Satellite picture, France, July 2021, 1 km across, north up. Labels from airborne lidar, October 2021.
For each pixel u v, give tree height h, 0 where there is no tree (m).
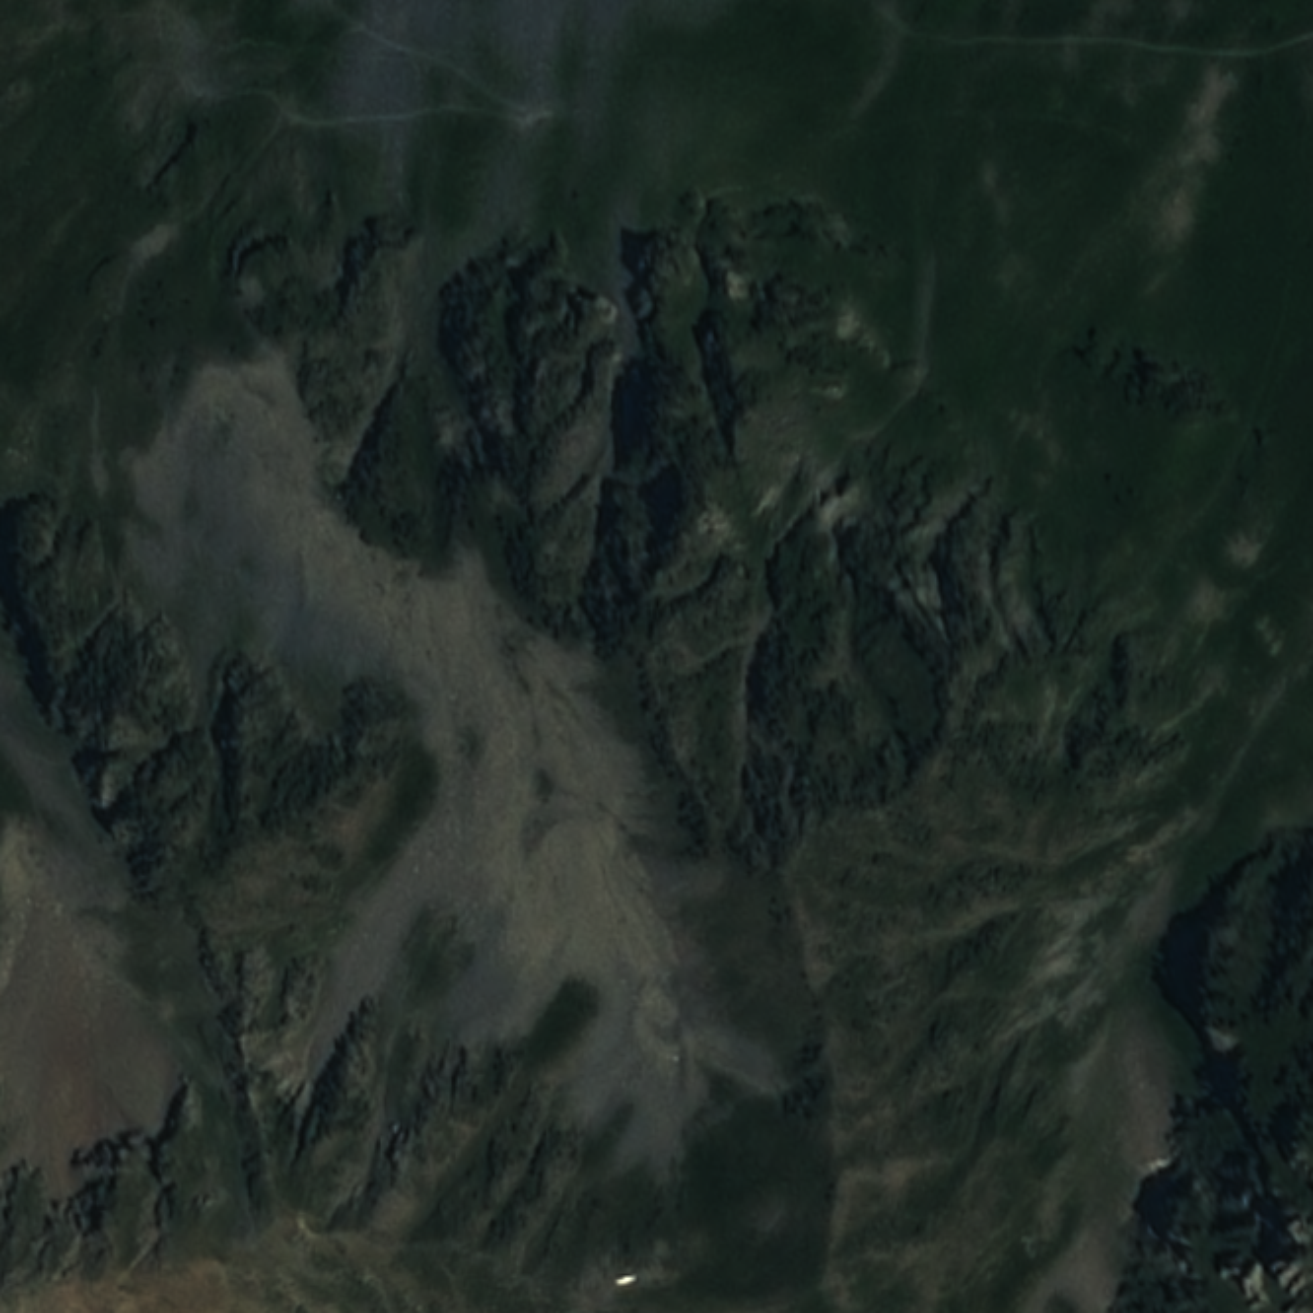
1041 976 0
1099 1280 0
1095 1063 0
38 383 0
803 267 0
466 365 7
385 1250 0
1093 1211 0
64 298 0
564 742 0
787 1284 0
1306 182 0
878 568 9
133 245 0
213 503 0
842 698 10
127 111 0
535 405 6
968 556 8
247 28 0
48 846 0
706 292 0
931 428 0
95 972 0
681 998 0
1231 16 0
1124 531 0
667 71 0
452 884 0
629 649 6
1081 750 8
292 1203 0
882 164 0
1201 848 0
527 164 0
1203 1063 0
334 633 0
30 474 0
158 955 0
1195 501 0
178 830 11
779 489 0
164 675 10
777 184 0
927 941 0
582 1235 0
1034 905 0
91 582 0
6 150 0
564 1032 0
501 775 0
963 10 0
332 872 0
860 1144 0
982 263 0
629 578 10
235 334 0
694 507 8
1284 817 0
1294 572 0
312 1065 0
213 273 0
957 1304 0
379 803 0
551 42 0
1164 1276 0
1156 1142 0
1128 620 0
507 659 0
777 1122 0
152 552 0
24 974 0
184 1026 0
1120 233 0
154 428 0
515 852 0
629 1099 0
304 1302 0
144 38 0
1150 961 0
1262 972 0
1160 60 0
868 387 0
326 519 0
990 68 0
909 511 8
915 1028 0
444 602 0
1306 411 0
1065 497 0
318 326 10
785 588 8
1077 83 0
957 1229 0
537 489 7
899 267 0
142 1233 0
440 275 0
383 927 0
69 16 0
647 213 0
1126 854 0
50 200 0
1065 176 0
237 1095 0
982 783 0
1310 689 0
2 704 0
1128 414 0
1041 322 0
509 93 0
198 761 7
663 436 10
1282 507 0
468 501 7
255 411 0
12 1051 0
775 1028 0
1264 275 0
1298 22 0
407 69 0
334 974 0
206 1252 0
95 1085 0
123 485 0
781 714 8
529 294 9
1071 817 0
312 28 0
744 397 12
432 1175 0
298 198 0
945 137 0
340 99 0
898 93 0
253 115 0
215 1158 0
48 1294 0
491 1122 0
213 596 0
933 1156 0
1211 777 0
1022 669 7
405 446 9
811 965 0
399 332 0
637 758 0
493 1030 0
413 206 0
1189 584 0
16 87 0
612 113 0
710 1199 0
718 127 0
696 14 0
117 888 0
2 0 0
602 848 0
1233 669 0
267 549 0
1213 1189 0
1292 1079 7
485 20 0
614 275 0
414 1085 0
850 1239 0
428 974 0
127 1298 0
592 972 0
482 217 0
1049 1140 0
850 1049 0
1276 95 0
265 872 0
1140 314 0
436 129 0
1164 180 0
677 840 0
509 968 0
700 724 0
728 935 0
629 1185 0
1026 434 0
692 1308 0
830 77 0
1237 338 0
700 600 8
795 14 0
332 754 7
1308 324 0
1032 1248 0
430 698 0
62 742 0
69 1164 0
